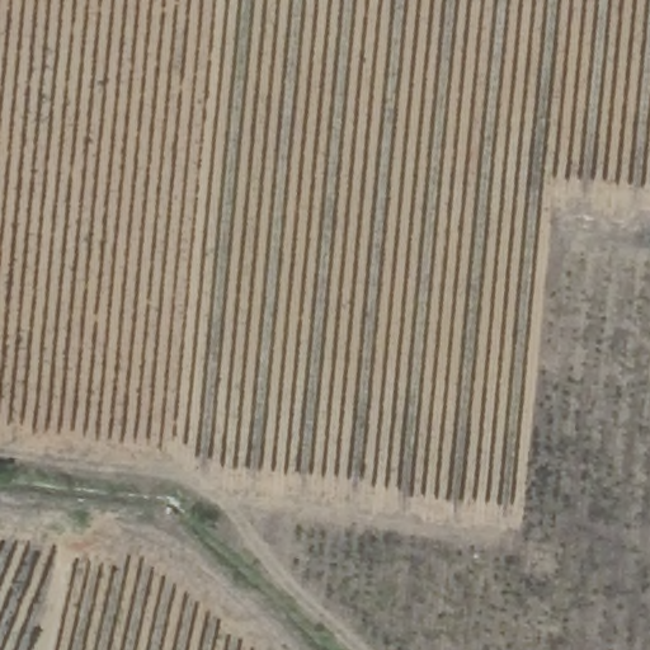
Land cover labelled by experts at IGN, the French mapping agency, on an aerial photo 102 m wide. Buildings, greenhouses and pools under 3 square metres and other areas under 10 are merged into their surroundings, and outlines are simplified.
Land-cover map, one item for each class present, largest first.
<instances>
[{"label":"vineyard","instance_id":"1","mask_svg":"<svg viewBox=\"0 0 650 650\"><path fill-rule=\"evenodd\" d=\"M546 170H551L554 175H564L566 180L597 178L604 183H630L640 188L650 185V0H0V457L36 462L41 467H56L71 475H147L173 480L196 490L206 503L216 505L231 521L244 548H249L259 559L262 571L282 592L295 597V602L310 620L322 622L343 650H650V229L632 234L617 223L612 231H604L597 221H592L584 249L571 251L559 229V216H551V254L546 272V307L538 350V386L528 454L523 526L510 531H500L493 526L465 528L462 500L475 498L503 505L515 500ZM168 576L157 574L152 566H145V559L137 561L132 556H124V564L96 566L89 559H76L71 548H61L56 554V546H51L48 551H38L28 541H0V650H249L244 647L241 637L231 635L223 637V642H218L221 620L211 612L206 617L198 614V602L190 599V594L165 589Z\"/></svg>","mask_w":650,"mask_h":650},{"label":"plowed land","instance_id":"2","mask_svg":"<svg viewBox=\"0 0 650 650\"><path fill-rule=\"evenodd\" d=\"M551 216H559V229L571 251L584 249L592 221H597L604 231H612L617 223L632 234L650 229V185L640 188L630 183H604L597 178L566 180L564 175H554L551 170H546L515 500L503 505L475 498L462 500L465 528L493 526L500 531H510L523 526L528 454L538 386V350L546 307V272L551 254ZM0 541H28L38 551H48L51 546H56V554L61 548H71L76 559H89L96 566L124 564V556H132L137 561L145 559V566H152L157 574L168 576L165 589L190 594V599L198 602V614L206 617L211 612L221 620L218 642H223V637L231 635L241 637L244 647L249 650H307L297 635L274 622L267 609L256 604V599L246 589L234 587L223 569L216 566L198 548L196 538L180 543L178 538L147 523H119L112 510L102 508L89 515L86 526H76L61 510L18 515L13 510H0Z\"/></svg>","mask_w":650,"mask_h":650},{"label":"herbaceous vegetation","instance_id":"3","mask_svg":"<svg viewBox=\"0 0 650 650\"><path fill-rule=\"evenodd\" d=\"M102 508L112 510L119 523H147L178 538L180 543L196 538L198 548L216 566L223 569L234 587L246 589L256 599V604L267 609L274 622L297 635L307 650H343L322 622L310 620L295 602V597L282 592L262 571L259 559L249 548H244L231 521L216 505L206 503L196 490L173 480L147 475H71L56 467H41L36 462L0 457V510H13L18 515L61 510L76 526H86L89 515Z\"/></svg>","mask_w":650,"mask_h":650}]
</instances>
